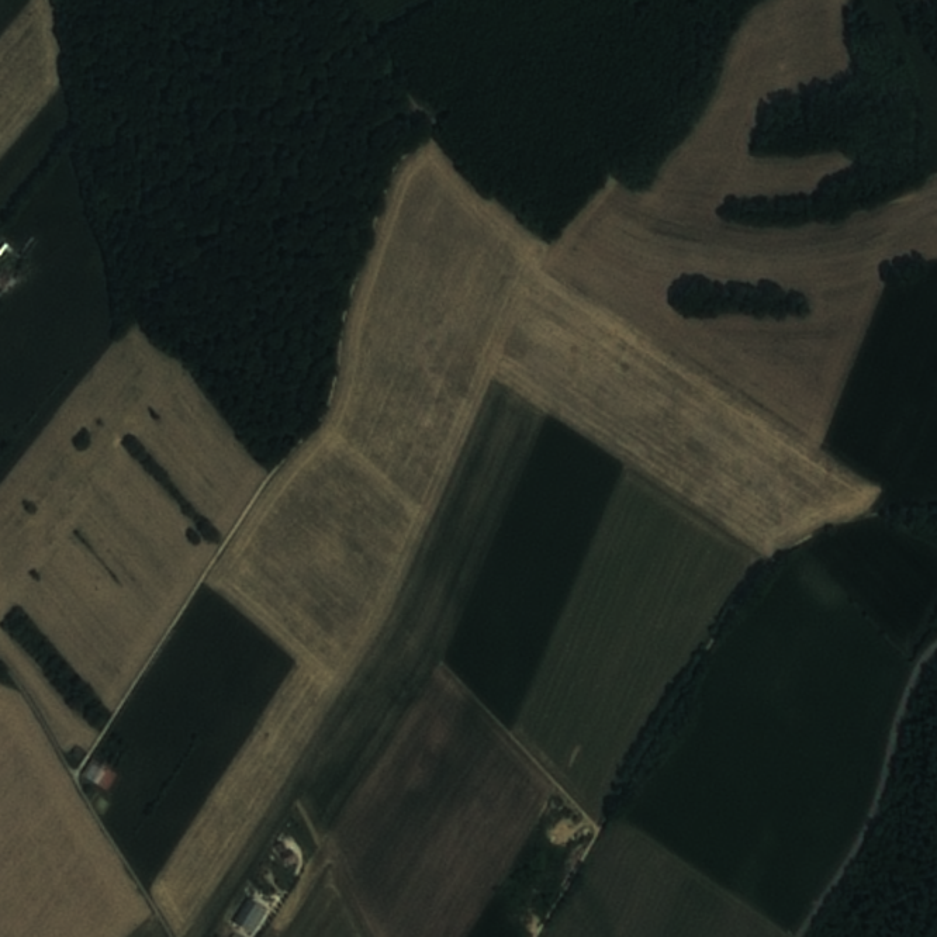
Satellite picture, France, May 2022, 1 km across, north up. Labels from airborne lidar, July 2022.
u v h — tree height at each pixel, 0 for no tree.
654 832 0
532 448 0
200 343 28
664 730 26
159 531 0
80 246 0
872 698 0
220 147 32
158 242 30
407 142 25
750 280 0
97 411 0
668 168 0
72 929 0
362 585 0
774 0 0
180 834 0
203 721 0
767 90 0
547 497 0
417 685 0
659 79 18
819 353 0
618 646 0
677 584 0
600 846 0
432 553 0
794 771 0
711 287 19
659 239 0
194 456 0
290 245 25
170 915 0
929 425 0
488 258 0
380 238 0
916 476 0
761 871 0
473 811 0
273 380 22
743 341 0
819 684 0
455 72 15
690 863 0
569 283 0
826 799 0
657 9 17
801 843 0
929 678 21
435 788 0
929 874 8
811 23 0
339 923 0
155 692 0
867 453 0
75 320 0
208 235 20
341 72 27
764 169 0
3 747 0
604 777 0
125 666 0
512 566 0
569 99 16
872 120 23
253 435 19
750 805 0
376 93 26
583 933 0
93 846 0
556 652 0
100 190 28
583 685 0
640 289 0
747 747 0
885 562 0
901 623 0
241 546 0
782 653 0
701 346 0
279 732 0
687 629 0
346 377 0
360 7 24
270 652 0
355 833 0
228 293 32
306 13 25
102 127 25
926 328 0
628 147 18
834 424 0
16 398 0
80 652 0
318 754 0
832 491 0
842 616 0
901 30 0
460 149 17
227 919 0
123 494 0
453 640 0
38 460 0
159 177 27
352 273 21
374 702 0
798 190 0
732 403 0
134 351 0
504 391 0
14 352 0
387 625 0
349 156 27
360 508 0
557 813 0
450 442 0
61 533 0
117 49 25
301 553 0
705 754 0
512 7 15
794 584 0
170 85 24
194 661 0
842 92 23
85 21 31
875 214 0
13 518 0
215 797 0
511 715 0
